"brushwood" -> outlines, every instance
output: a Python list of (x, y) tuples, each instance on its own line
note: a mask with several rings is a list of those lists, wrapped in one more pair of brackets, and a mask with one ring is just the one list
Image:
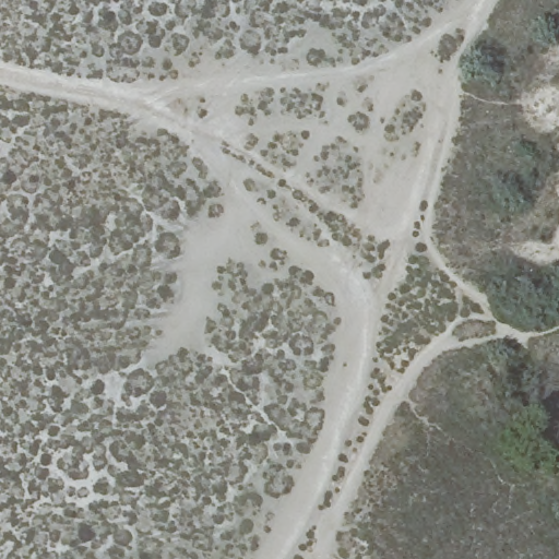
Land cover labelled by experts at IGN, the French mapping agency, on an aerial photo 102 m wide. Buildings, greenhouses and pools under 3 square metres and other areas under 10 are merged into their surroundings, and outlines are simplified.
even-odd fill
[(480, 459), (491, 461), (500, 476), (500, 485), (509, 487), (509, 491), (522, 493), (531, 493), (531, 485), (559, 491), (559, 448), (555, 450), (552, 443), (544, 439), (542, 430), (546, 428), (546, 411), (542, 406), (524, 406), (520, 400), (513, 397), (513, 384), (509, 380), (507, 369), (487, 369), (498, 406), (493, 411), (487, 411), (487, 415), (478, 417), (480, 430), (489, 435), (485, 441), (478, 441), (478, 454)]
[(356, 111), (347, 118), (349, 124), (356, 131), (367, 131), (369, 116)]
[(365, 199), (360, 148), (347, 142), (345, 138), (334, 138), (332, 144), (325, 144), (319, 155), (314, 155), (314, 162), (321, 162), (321, 168), (314, 173), (306, 173), (306, 181), (319, 188), (321, 192), (341, 194), (341, 199), (349, 207), (358, 207)]
[(373, 411), (376, 406), (380, 406), (380, 395), (391, 391), (391, 384), (386, 382), (393, 378), (393, 373), (404, 373), (408, 365), (415, 360), (415, 356), (424, 349), (424, 345), (428, 345), (437, 334), (445, 332), (459, 341), (465, 341), (493, 334), (500, 323), (507, 323), (522, 332), (537, 330), (559, 323), (559, 260), (542, 264), (533, 273), (531, 284), (507, 286), (493, 290), (487, 297), (493, 317), (489, 321), (472, 319), (472, 312), (480, 312), (480, 306), (472, 301), (467, 295), (454, 295), (456, 284), (430, 262), (426, 245), (415, 245), (406, 262), (406, 277), (393, 293), (389, 293), (386, 310), (380, 319), (382, 341), (376, 343), (376, 354), (371, 356), (367, 397), (362, 402), (362, 411), (358, 417), (360, 432), (358, 437), (349, 437), (341, 443), (336, 472), (332, 474), (332, 480), (345, 478), (347, 461), (354, 454), (358, 454), (360, 445), (365, 443), (369, 435), (369, 424), (373, 419)]
[(245, 146), (238, 151), (231, 151), (229, 142), (223, 142), (221, 146), (223, 155), (227, 155), (229, 159), (236, 159), (242, 166), (249, 166), (258, 170), (262, 177), (266, 177), (264, 183), (245, 179), (245, 190), (253, 194), (253, 199), (260, 205), (271, 207), (273, 218), (282, 225), (288, 225), (301, 240), (314, 242), (317, 247), (330, 247), (334, 242), (341, 242), (343, 247), (360, 251), (360, 255), (369, 262), (371, 269), (362, 277), (382, 277), (389, 240), (380, 242), (376, 240), (376, 236), (362, 234), (343, 214), (323, 210), (314, 199), (290, 186), (286, 179), (280, 179), (264, 166), (260, 166), (255, 159), (247, 157), (249, 151), (258, 144), (258, 135), (249, 135)]
[(389, 142), (397, 142), (404, 135), (408, 135), (426, 114), (426, 100), (421, 92), (411, 92), (402, 96), (391, 120), (380, 118), (380, 124), (384, 127), (384, 138)]
[(236, 107), (236, 116), (247, 116), (249, 124), (255, 124), (258, 114), (271, 116), (271, 103), (282, 103), (286, 111), (295, 114), (297, 118), (317, 116), (321, 124), (328, 124), (323, 94), (328, 90), (328, 83), (317, 83), (312, 92), (301, 92), (297, 87), (264, 87), (242, 94), (240, 105)]
[(535, 55), (546, 55), (552, 46), (559, 44), (559, 13), (546, 13), (542, 20), (533, 20), (528, 26), (531, 37), (537, 44)]
[(483, 55), (474, 44), (467, 50), (467, 55), (463, 55), (459, 61), (461, 85), (469, 81), (483, 87), (496, 87), (496, 70), (483, 66)]
[(535, 207), (535, 199), (539, 190), (546, 186), (546, 179), (559, 173), (559, 148), (555, 153), (546, 153), (537, 146), (537, 142), (524, 138), (515, 148), (518, 170), (498, 170), (498, 175), (489, 181), (493, 201), (498, 203), (493, 214), (500, 214), (502, 223), (513, 223)]
[(310, 133), (284, 131), (271, 138), (269, 146), (260, 155), (277, 166), (293, 168)]

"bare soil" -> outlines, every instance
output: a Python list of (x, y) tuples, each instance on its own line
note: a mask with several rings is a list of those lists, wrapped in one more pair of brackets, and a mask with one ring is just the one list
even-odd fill
[(559, 127), (559, 44), (552, 46), (546, 55), (544, 72), (537, 74), (531, 85), (535, 92), (522, 94), (518, 98), (518, 105), (522, 105), (524, 120), (533, 129), (552, 131), (555, 127)]
[[(312, 280), (323, 290), (334, 293), (341, 325), (330, 334), (334, 343), (334, 360), (323, 380), (325, 426), (314, 448), (308, 452), (308, 459), (301, 465), (301, 469), (293, 469), (293, 491), (284, 498), (277, 498), (277, 502), (282, 504), (280, 513), (273, 518), (269, 537), (255, 550), (255, 559), (334, 559), (334, 555), (338, 552), (336, 533), (343, 524), (345, 511), (352, 507), (352, 500), (358, 493), (369, 456), (373, 454), (382, 437), (382, 430), (391, 421), (395, 408), (413, 389), (421, 369), (430, 365), (430, 360), (437, 358), (441, 352), (456, 347), (474, 347), (498, 338), (515, 338), (522, 345), (528, 338), (539, 336), (537, 330), (522, 332), (507, 323), (500, 323), (493, 334), (465, 341), (459, 341), (445, 332), (437, 334), (428, 345), (424, 345), (424, 349), (415, 356), (415, 360), (408, 365), (404, 373), (393, 373), (393, 378), (386, 382), (391, 384), (391, 391), (380, 395), (380, 406), (376, 406), (373, 411), (373, 419), (369, 424), (369, 435), (365, 443), (360, 445), (358, 454), (354, 454), (347, 461), (345, 478), (332, 480), (332, 474), (336, 472), (341, 443), (349, 437), (358, 437), (360, 432), (358, 417), (362, 411), (362, 402), (367, 397), (371, 356), (376, 354), (376, 343), (382, 341), (380, 319), (386, 310), (389, 293), (393, 293), (406, 277), (406, 262), (415, 245), (426, 245), (430, 262), (456, 284), (454, 295), (467, 295), (472, 301), (480, 306), (480, 312), (472, 312), (472, 319), (489, 321), (493, 317), (487, 297), (474, 284), (465, 282), (445, 262), (445, 258), (437, 251), (437, 238), (432, 234), (435, 201), (441, 190), (443, 166), (452, 157), (452, 138), (459, 129), (463, 92), (461, 85), (459, 61), (463, 55), (467, 55), (467, 50), (474, 44), (476, 37), (487, 28), (487, 20), (493, 11), (491, 0), (450, 0), (441, 11), (441, 20), (421, 31), (413, 41), (397, 41), (393, 50), (380, 57), (367, 57), (358, 66), (308, 66), (306, 70), (282, 72), (273, 63), (258, 63), (253, 55), (240, 48), (229, 59), (201, 57), (201, 63), (197, 68), (190, 68), (188, 61), (179, 55), (179, 59), (173, 63), (179, 72), (179, 79), (140, 79), (135, 83), (111, 83), (107, 79), (74, 79), (55, 74), (50, 70), (31, 70), (17, 63), (0, 61), (0, 85), (20, 92), (46, 94), (52, 98), (83, 103), (90, 105), (92, 111), (122, 111), (129, 116), (129, 138), (151, 138), (157, 129), (166, 129), (179, 135), (179, 140), (188, 146), (188, 153), (203, 159), (210, 179), (218, 181), (223, 197), (223, 214), (218, 218), (210, 218), (203, 210), (197, 216), (188, 216), (183, 199), (179, 201), (179, 216), (175, 221), (168, 221), (157, 212), (151, 212), (151, 221), (155, 225), (177, 234), (177, 238), (181, 240), (181, 255), (190, 262), (190, 266), (173, 284), (173, 297), (164, 306), (153, 308), (151, 312), (151, 325), (157, 325), (164, 332), (162, 338), (153, 338), (148, 343), (148, 347), (142, 352), (142, 358), (138, 360), (140, 367), (151, 376), (157, 376), (157, 360), (164, 360), (170, 354), (177, 354), (179, 349), (197, 349), (199, 354), (212, 358), (214, 367), (231, 362), (225, 352), (218, 352), (210, 343), (205, 332), (207, 319), (216, 321), (223, 317), (216, 306), (227, 306), (231, 301), (231, 290), (214, 290), (212, 282), (216, 282), (218, 266), (227, 264), (227, 260), (238, 262), (247, 253), (247, 249), (255, 242), (255, 234), (273, 236), (277, 240), (277, 249), (284, 249), (288, 258), (295, 262), (295, 266), (312, 271)], [(312, 92), (317, 83), (328, 83), (328, 90), (323, 94), (328, 124), (321, 124), (317, 116), (297, 118), (295, 114), (286, 111), (282, 103), (271, 103), (271, 116), (258, 114), (255, 124), (249, 124), (247, 116), (236, 116), (236, 107), (240, 105), (242, 94), (264, 87), (297, 87), (301, 92)], [(402, 96), (411, 92), (421, 92), (426, 100), (426, 114), (408, 135), (404, 135), (397, 142), (389, 142), (384, 138), (384, 127), (380, 124), (380, 118), (391, 120)], [(356, 111), (369, 116), (367, 131), (356, 131), (349, 124), (347, 118)], [(277, 166), (260, 155), (269, 146), (271, 138), (284, 131), (310, 133), (293, 168)], [(382, 277), (362, 277), (371, 269), (369, 262), (360, 255), (360, 251), (343, 247), (341, 242), (334, 242), (330, 247), (317, 247), (314, 242), (301, 240), (288, 225), (282, 225), (273, 218), (271, 207), (260, 205), (253, 199), (253, 194), (245, 190), (245, 179), (264, 183), (266, 177), (262, 177), (258, 170), (249, 166), (242, 166), (236, 159), (229, 159), (227, 155), (223, 155), (221, 146), (223, 142), (229, 142), (231, 151), (238, 151), (245, 146), (249, 135), (258, 135), (258, 144), (249, 151), (247, 157), (255, 159), (260, 166), (264, 166), (280, 179), (286, 179), (290, 186), (314, 199), (323, 210), (343, 214), (362, 234), (376, 236), (376, 240), (380, 242), (389, 240)], [(319, 188), (306, 181), (306, 173), (314, 173), (321, 168), (321, 162), (314, 162), (314, 155), (319, 155), (325, 144), (332, 144), (334, 138), (345, 138), (347, 142), (360, 148), (365, 199), (358, 207), (349, 207), (341, 199), (341, 194), (321, 192)]]
[(550, 242), (531, 240), (513, 245), (511, 253), (542, 264), (559, 260), (559, 229)]

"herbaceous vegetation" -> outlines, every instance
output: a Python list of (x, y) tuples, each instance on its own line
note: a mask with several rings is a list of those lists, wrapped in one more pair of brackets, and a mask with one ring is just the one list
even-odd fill
[(203, 210), (210, 218), (218, 218), (223, 214), (223, 197), (218, 181), (210, 179), (203, 159), (188, 153), (188, 146), (179, 140), (179, 135), (166, 129), (157, 129), (151, 138), (129, 138), (129, 116), (122, 111), (92, 111), (90, 105), (83, 103), (52, 98), (46, 94), (20, 92), (0, 85), (0, 559), (255, 559), (255, 550), (269, 537), (273, 518), (280, 513), (282, 504), (277, 502), (277, 498), (284, 498), (293, 491), (293, 469), (301, 469), (301, 465), (308, 459), (308, 452), (314, 448), (325, 426), (323, 380), (334, 360), (334, 343), (330, 334), (341, 325), (334, 293), (323, 290), (312, 280), (312, 271), (295, 266), (295, 262), (288, 258), (284, 249), (277, 249), (277, 240), (273, 236), (255, 234), (255, 242), (247, 249), (247, 253), (238, 262), (227, 260), (227, 264), (218, 266), (216, 282), (212, 282), (214, 290), (231, 290), (231, 301), (227, 306), (216, 306), (223, 317), (216, 321), (207, 319), (205, 332), (210, 343), (218, 352), (225, 352), (231, 362), (214, 367), (212, 358), (199, 354), (197, 349), (179, 349), (177, 354), (170, 354), (164, 360), (157, 360), (157, 376), (151, 376), (140, 367), (138, 360), (142, 358), (142, 352), (148, 347), (148, 343), (153, 338), (162, 338), (164, 332), (157, 325), (151, 325), (151, 312), (153, 308), (164, 306), (173, 297), (173, 284), (190, 266), (190, 262), (181, 255), (181, 240), (177, 238), (177, 234), (155, 225), (151, 221), (151, 212), (157, 212), (168, 221), (175, 221), (179, 216), (179, 201), (183, 199), (188, 216), (197, 216)]
[(559, 13), (559, 0), (491, 0), (493, 11), (487, 20), (487, 28), (476, 37), (474, 44), (483, 55), (483, 66), (496, 70), (496, 87), (483, 87), (469, 81), (461, 85), (463, 92), (459, 129), (452, 138), (452, 157), (443, 166), (441, 190), (435, 201), (432, 234), (437, 238), (437, 251), (445, 258), (445, 262), (465, 282), (474, 284), (487, 297), (493, 290), (507, 286), (531, 284), (533, 273), (542, 264), (511, 253), (513, 245), (531, 240), (550, 242), (559, 229), (559, 173), (546, 179), (546, 186), (539, 190), (535, 199), (535, 207), (513, 223), (502, 223), (500, 214), (493, 214), (498, 203), (493, 201), (489, 181), (498, 175), (498, 170), (518, 170), (515, 148), (524, 138), (537, 142), (537, 146), (546, 153), (555, 153), (559, 148), (559, 127), (555, 127), (552, 131), (533, 129), (524, 120), (522, 105), (518, 105), (518, 98), (522, 94), (535, 92), (531, 85), (537, 74), (544, 72), (546, 55), (535, 55), (537, 44), (531, 37), (528, 26), (533, 20), (542, 20), (546, 13)]
[(441, 11), (450, 0), (0, 0), (0, 61), (17, 63), (31, 70), (50, 70), (55, 74), (74, 79), (107, 79), (111, 83), (135, 83), (140, 79), (179, 79), (179, 72), (173, 63), (179, 59), (179, 55), (188, 61), (190, 68), (197, 68), (201, 63), (201, 57), (229, 59), (240, 48), (253, 55), (258, 63), (273, 63), (282, 72), (306, 70), (308, 66), (358, 66), (367, 57), (380, 57), (393, 50), (397, 41), (413, 41), (421, 31), (441, 20)]
[(559, 559), (559, 491), (531, 485), (531, 493), (522, 493), (509, 491), (509, 487), (500, 485), (500, 476), (491, 461), (480, 459), (478, 454), (478, 441), (485, 441), (489, 435), (480, 430), (478, 417), (487, 415), (487, 411), (493, 411), (498, 406), (487, 369), (507, 369), (509, 380), (513, 384), (513, 397), (520, 400), (524, 406), (542, 406), (546, 411), (546, 428), (542, 430), (544, 439), (552, 443), (555, 450), (559, 448), (559, 323), (537, 330), (539, 336), (528, 338), (522, 345), (515, 338), (498, 338), (474, 347), (456, 347), (441, 352), (437, 358), (430, 360), (430, 365), (421, 369), (413, 389), (395, 408), (391, 421), (382, 430), (382, 437), (373, 454), (369, 456), (358, 493), (352, 500), (352, 507), (345, 511), (343, 524), (336, 533), (338, 552), (334, 555), (334, 559)]

